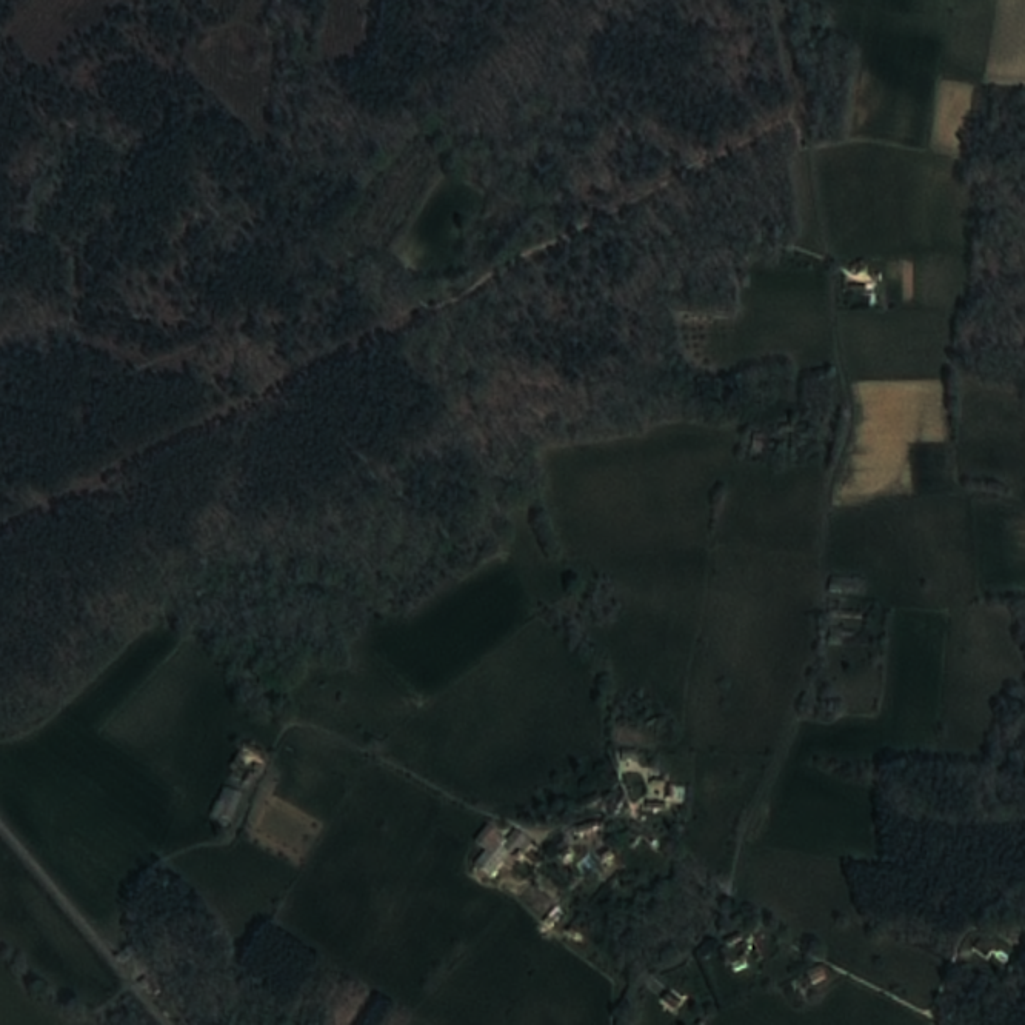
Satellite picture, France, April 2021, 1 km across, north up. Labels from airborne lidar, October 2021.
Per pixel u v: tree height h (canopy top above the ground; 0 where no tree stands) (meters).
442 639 0
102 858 0
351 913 0
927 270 0
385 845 0
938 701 0
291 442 27
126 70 14
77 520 23
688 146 21
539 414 16
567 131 21
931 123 0
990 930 23
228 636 22
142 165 23
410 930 0
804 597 0
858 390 0
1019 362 22
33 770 0
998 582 0
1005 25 0
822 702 10
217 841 15
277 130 23
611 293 19
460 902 0
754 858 0
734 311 21
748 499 0
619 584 0
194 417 24
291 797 0
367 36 0
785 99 26
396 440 27
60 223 15
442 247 0
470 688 0
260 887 0
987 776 23
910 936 12
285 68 15
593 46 16
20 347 13
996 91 6
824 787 0
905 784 28
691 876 16
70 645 24
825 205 0
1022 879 17
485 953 0
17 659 25
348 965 0
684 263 21
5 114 11
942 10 0
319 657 20
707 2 8
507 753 0
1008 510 0
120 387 22
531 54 17
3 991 0
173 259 18
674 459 0
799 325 0
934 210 0
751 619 0
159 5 22
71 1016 24
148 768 0
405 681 0
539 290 10
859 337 0
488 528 13
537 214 20
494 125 16
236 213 17
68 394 23
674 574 0
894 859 15
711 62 13
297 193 16
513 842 0
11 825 0
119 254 13
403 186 12
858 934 0
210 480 24
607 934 11
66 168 9
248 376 14
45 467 23
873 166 0
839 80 21
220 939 15
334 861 0
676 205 22
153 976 18
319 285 22
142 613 26
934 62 0
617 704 7
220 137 24
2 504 16
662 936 16
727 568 0
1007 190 23
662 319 17
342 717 0
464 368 19
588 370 14
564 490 0
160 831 0
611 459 0
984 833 14
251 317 24
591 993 0
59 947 0
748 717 0
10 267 23
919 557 0
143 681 0
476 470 20
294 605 25
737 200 23
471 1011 0
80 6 0
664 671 0
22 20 0
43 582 23
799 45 27
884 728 0
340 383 25
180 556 30
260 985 13
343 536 20
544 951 0
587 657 22
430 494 26
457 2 18
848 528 0
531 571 0
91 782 0
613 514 0
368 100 22
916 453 0
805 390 18
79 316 12
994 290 19
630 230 24
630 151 20
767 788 0
